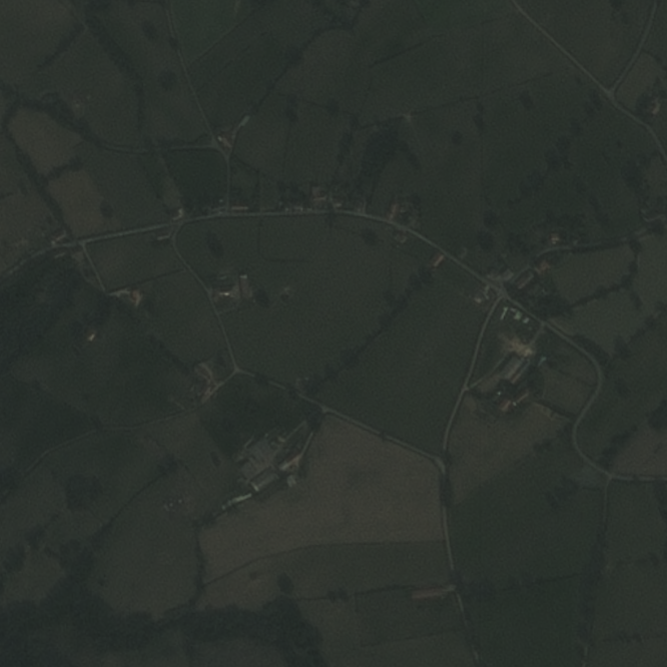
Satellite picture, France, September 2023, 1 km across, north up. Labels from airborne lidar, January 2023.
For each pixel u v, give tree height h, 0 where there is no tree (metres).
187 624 18
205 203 9
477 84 0
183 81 0
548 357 0
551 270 0
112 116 0
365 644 0
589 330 0
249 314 0
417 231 0
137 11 0
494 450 0
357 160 0
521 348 0
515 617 0
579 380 0
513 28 0
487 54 0
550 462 0
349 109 0
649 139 0
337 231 0
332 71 0
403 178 0
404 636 0
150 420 0
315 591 0
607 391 0
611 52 0
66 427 0
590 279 0
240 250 0
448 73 0
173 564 0
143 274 0
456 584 21
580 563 0
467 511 0
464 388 0
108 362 0
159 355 0
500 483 0
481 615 0
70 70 0
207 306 0
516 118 0
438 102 0
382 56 0
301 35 0
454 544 0
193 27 0
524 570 0
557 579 0
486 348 0
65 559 14
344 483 0
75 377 0
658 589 0
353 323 0
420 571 0
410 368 0
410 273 0
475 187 0
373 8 0
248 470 0
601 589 0
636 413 0
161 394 0
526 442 0
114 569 0
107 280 0
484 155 0
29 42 0
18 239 0
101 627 23
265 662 0
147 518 0
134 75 8
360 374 0
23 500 0
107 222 0
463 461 0
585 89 0
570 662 0
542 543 0
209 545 0
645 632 0
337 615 0
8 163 0
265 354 0
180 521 0
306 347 0
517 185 0
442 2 0
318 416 15
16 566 16
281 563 0
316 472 0
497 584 0
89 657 0
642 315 0
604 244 7
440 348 0
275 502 0
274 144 0
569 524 0
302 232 0
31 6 0
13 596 0
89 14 9
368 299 0
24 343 21
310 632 19
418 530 0
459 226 0
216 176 0
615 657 0
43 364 0
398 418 0
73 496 12
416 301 0
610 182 0
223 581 0
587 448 0
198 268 0
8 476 14
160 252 0
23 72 0
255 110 13
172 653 0
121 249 0
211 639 7
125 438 0
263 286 0
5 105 0
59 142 0
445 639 0
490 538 0
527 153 0
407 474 0
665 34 0
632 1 0
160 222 0
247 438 0
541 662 0
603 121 0
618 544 0
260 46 0
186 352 0
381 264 0
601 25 0
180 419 0
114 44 8
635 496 0
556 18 0
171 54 0
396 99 0
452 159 0
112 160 0
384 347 0
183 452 0
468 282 0
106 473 0
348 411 0
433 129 0
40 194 9
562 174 0
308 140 0
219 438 0
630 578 0
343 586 0
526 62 0
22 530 0
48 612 19
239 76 0
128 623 9
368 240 13
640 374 0
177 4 0
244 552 0
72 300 11
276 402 0
